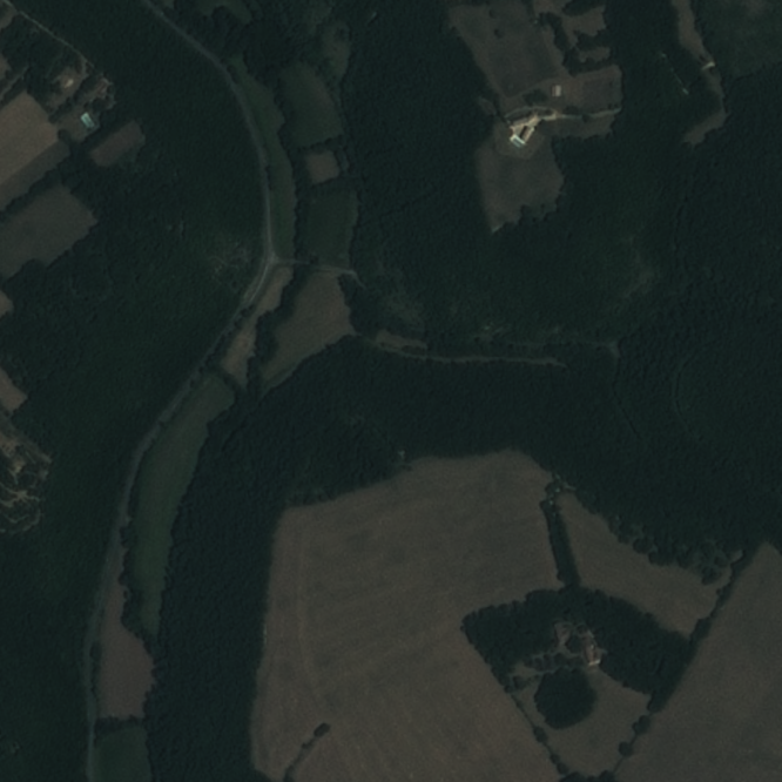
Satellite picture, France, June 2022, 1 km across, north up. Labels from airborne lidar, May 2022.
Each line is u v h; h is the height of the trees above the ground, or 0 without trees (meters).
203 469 17
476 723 0
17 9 10
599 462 20
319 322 0
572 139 12
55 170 9
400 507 0
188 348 13
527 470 0
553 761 10
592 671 0
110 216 11
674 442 11
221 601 15
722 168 10
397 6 16
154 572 0
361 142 10
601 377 18
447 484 0
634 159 13
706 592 0
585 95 0
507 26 0
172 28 13
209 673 15
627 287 8
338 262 0
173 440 0
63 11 16
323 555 0
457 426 19
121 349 9
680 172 18
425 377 19
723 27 0
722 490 17
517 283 12
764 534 14
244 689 16
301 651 0
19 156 0
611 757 0
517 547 0
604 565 0
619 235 8
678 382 9
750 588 0
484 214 11
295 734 0
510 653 18
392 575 0
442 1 8
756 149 11
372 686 0
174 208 11
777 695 0
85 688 17
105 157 0
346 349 17
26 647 19
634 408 11
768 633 0
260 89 0
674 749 0
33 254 0
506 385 16
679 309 9
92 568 17
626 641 19
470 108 14
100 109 9
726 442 10
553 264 14
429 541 0
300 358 0
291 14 17
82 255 17
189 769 17
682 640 13
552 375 18
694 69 19
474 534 0
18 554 12
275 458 11
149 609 0
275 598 0
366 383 18
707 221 9
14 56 12
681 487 20
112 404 11
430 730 0
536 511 0
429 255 12
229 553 12
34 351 8
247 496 15
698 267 13
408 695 0
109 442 13
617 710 0
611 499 17
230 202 14
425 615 0
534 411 16
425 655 0
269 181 10
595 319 11
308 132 0
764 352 12
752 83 12
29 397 11
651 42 15
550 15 9
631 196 11
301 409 16
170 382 15
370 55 18
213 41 19
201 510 20
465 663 0
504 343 14
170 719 18
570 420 20
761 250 9
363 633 0
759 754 0
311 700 0
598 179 12
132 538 19
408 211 18
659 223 11
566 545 13
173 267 10
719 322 14
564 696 20
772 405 9
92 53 13
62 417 12
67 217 0
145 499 0
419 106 12
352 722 0
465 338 13
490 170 0
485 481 0
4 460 9
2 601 19
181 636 21
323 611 0
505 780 0
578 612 20
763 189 11
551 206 0
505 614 20
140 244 10
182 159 14
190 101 17
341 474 11
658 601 0
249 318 13
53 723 15
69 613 22
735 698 0
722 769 0
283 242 0
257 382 18
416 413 14
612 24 16
